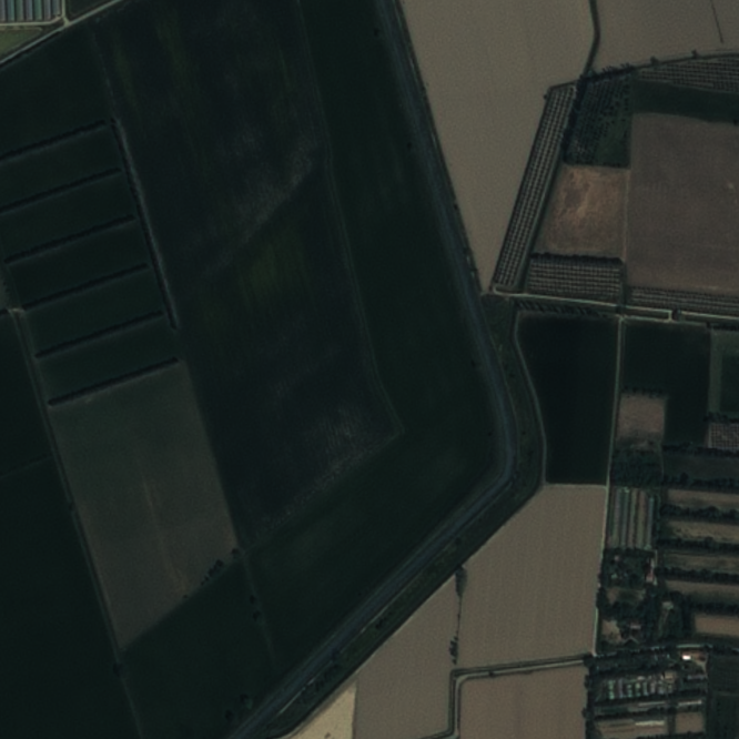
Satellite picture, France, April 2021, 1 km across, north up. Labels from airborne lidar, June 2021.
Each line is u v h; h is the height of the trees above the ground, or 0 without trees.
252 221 0
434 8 0
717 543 13
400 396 0
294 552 0
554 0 0
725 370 0
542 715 0
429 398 0
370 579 0
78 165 0
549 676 0
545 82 0
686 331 0
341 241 0
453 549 0
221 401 0
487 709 0
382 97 0
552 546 0
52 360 0
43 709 0
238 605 0
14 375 0
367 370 0
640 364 0
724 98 0
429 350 0
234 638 0
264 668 0
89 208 0
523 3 0
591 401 0
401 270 0
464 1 0
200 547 0
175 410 0
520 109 0
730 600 0
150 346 0
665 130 0
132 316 0
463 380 0
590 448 0
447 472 0
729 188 0
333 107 0
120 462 0
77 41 0
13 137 0
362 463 0
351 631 0
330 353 0
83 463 0
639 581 17
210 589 0
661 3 0
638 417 0
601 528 0
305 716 0
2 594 0
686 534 0
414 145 7
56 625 0
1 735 0
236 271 0
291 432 0
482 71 0
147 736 0
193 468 0
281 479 0
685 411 0
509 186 0
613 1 0
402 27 0
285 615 0
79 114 0
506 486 0
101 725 0
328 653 0
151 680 0
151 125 0
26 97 0
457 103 0
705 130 0
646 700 9
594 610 0
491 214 0
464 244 0
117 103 0
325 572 0
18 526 0
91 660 0
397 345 0
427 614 0
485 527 0
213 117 0
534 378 0
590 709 10
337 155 0
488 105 0
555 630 0
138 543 0
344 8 0
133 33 0
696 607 9
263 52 0
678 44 0
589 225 0
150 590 0
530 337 0
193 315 0
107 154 0
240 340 0
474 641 0
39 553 0
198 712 0
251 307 0
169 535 0
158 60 0
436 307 0
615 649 7
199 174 0
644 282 0
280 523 0
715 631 0
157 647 0
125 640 0
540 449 0
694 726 0
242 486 0
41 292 0
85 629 0
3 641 0
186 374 0
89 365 0
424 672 0
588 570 0
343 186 0
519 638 0
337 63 0
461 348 0
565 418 0
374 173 0
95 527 0
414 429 0
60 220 0
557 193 0
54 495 0
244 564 0
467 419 0
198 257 0
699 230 0
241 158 0
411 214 0
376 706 0
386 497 0
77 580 0
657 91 0
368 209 0
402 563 0
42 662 0
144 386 0
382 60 0
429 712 0
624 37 0
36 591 0
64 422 0
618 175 0
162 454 0
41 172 0
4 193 0
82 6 0
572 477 0
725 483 10
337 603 0
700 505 0
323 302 0
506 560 0
